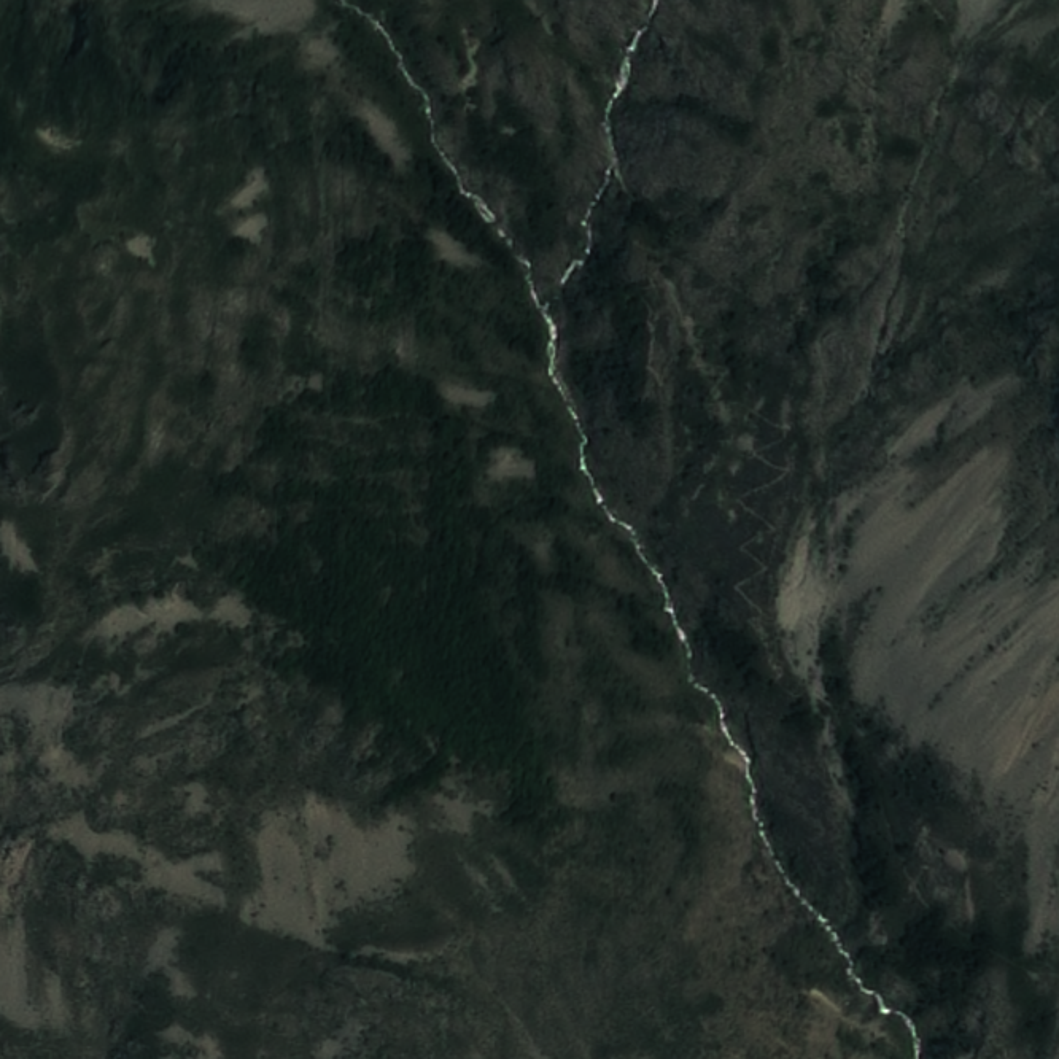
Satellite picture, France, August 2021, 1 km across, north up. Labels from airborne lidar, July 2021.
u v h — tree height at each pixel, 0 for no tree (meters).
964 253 0
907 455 0
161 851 0
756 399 0
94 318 0
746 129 7
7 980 0
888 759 0
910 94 0
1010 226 0
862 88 0
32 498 0
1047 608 0
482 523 9
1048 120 0
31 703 0
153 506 0
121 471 0
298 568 9
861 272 0
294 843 0
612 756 6
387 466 8
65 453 0
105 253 0
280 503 7
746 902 0
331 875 0
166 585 8
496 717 10
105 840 0
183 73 11
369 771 9
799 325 7
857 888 0
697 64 0
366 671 12
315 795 0
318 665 15
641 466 0
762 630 0
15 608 0
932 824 0
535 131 8
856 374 0
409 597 11
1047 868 0
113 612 0
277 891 0
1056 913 0
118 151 0
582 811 8
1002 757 0
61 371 0
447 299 7
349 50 7
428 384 10
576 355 7
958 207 0
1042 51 0
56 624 6
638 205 10
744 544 0
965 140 0
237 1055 0
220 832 6
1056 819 0
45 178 0
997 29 0
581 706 5
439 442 8
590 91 0
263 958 0
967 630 0
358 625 15
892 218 0
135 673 0
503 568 10
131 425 0
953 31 0
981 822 0
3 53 0
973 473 0
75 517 0
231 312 0
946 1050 9
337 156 12
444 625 14
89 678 0
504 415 7
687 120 0
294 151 7
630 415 11
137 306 0
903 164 0
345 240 11
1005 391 0
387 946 0
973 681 0
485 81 0
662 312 0
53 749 0
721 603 12
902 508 0
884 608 0
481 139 7
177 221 0
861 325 0
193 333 0
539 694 6
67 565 0
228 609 0
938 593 0
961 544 0
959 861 0
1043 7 0
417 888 0
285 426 18
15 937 0
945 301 0
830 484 0
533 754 15
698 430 6
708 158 0
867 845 10
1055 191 0
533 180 6
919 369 0
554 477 7
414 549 13
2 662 7
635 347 6
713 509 0
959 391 0
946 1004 7
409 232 9
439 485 11
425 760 10
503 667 10
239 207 0
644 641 11
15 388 0
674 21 0
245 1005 0
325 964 0
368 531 8
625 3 0
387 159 8
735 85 0
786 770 0
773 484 0
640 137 0
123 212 0
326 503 10
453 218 15
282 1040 0
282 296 11
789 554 0
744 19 0
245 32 0
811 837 0
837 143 0
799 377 0
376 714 10
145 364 0
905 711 0
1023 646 0
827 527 0
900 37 0
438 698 11
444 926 0
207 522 0
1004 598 0
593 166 0
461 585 14
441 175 16
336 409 10
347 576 12
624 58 0
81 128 0
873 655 0
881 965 6
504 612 7
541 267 0
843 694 9
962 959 17
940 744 0
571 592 7
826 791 0
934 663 0
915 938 11
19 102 0
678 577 9
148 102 20
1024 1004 0
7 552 0
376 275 6
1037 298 10
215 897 0
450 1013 6
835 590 0
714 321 0
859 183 0
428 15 0
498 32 6
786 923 0
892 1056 6
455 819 0
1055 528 0
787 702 0
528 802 6
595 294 8
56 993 0
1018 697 0
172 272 0
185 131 0
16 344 0
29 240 0
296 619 12
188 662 0
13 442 0
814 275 15
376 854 0
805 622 0
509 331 9
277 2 0
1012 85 0
